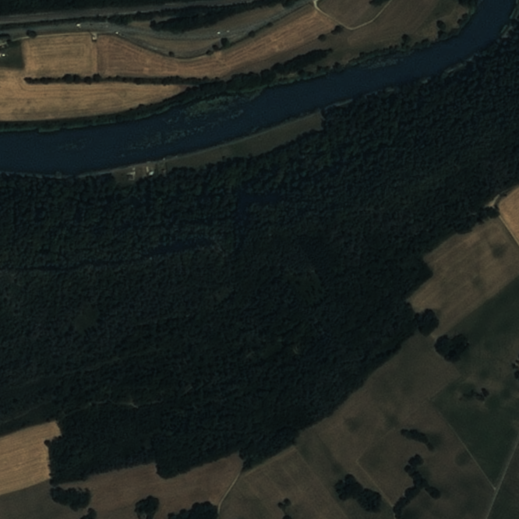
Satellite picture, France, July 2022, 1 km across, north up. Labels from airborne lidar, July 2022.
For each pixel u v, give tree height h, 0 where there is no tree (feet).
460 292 0
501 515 0
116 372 24
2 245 64
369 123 23
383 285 75
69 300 59
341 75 0
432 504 0
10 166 0
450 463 0
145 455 66
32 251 68
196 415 50
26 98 0
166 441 64
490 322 0
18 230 82
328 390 71
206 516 73
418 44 25
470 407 0
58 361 58
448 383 0
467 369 0
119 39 0
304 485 0
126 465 48
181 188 64
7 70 0
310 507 0
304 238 75
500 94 88
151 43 0
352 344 81
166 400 44
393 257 31
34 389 23
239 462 0
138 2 52
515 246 0
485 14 0
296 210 67
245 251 59
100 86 0
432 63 0
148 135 0
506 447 0
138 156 0
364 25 0
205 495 0
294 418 34
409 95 100
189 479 0
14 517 0
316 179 63
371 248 90
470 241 0
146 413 27
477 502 0
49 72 0
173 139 0
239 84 66
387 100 27
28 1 67
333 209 74
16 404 57
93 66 0
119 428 52
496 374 0
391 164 75
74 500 57
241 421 51
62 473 57
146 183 55
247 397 72
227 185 75
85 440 54
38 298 50
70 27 0
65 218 78
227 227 69
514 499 0
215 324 73
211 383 89
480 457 0
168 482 0
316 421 59
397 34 0
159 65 0
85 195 94
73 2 82
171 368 67
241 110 0
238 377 64
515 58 103
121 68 0
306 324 28
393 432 0
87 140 0
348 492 64
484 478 0
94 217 92
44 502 0
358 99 59
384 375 0
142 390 29
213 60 0
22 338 49
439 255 0
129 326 73
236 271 48
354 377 69
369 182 67
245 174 73
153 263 37
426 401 0
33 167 0
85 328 0
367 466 0
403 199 43
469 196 71
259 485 0
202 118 0
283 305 88
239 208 78
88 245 68
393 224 54
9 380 52
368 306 88
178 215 83
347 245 52
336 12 0
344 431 0
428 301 0
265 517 0
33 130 0
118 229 66
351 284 79
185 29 58
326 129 72
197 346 66
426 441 54
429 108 93
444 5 0
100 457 58
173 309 94
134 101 0
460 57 0
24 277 35
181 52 0
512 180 73
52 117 0
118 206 84
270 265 60
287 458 0
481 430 0
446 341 74
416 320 27
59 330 82
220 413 69
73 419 27
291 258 66
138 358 23
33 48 0
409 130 80
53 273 24
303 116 0
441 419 0
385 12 0
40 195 88
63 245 82
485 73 97
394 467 0
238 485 0
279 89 0
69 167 0
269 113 0
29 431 0
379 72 0
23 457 0
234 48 0
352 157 36
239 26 0
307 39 0
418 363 0
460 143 57
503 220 0
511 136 55
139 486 0
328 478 0
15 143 0
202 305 76
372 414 0
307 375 97
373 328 63
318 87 0
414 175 43
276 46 0
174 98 32
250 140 0
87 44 0
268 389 33
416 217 52
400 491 0
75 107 0
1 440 0
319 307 64
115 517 0
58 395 67
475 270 0
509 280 0
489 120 80
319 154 23
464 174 62
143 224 86
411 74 0
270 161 22
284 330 73
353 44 0
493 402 0
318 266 83
